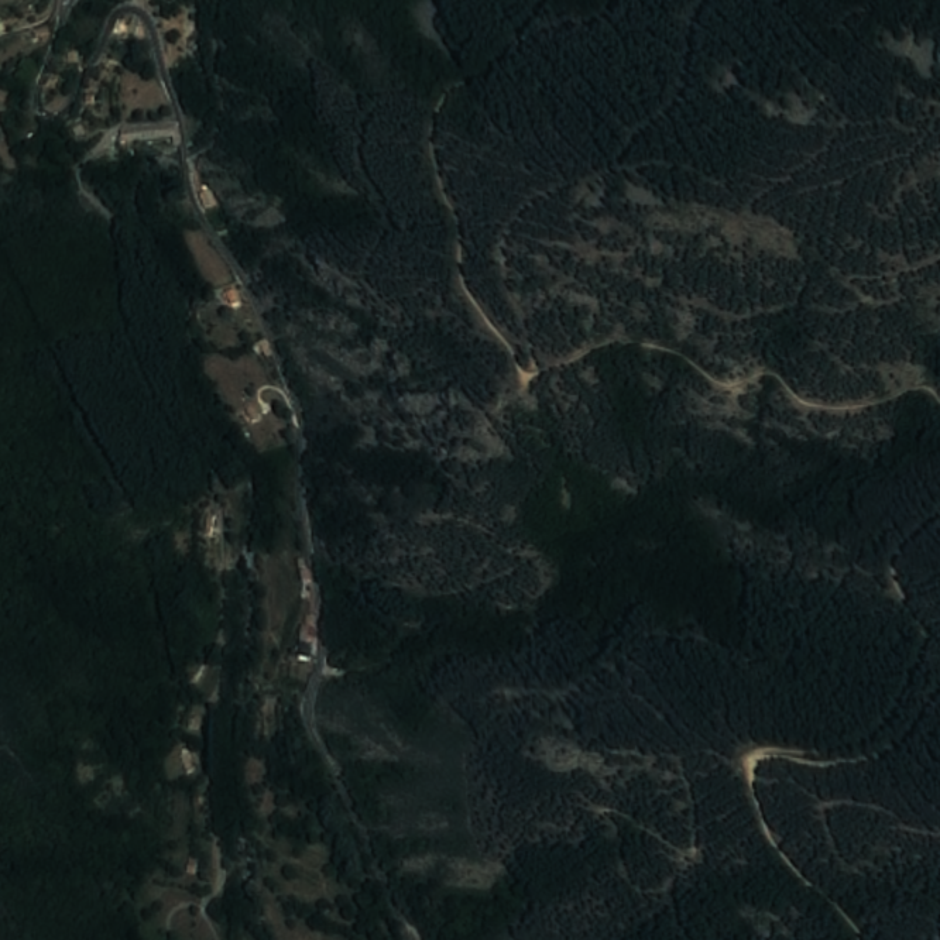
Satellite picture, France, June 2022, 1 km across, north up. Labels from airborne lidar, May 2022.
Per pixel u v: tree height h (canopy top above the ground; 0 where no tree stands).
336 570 8
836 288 22
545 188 19
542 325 16
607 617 11
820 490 25
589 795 12
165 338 33
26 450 13
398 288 18
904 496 21
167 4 9
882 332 20
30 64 13
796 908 17
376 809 11
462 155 18
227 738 15
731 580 14
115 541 6
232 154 9
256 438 0
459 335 15
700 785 15
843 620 34
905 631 27
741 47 29
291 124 14
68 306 16
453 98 7
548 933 14
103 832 13
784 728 21
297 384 15
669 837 14
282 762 18
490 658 13
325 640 16
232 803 20
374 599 32
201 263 0
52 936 12
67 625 17
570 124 25
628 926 16
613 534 13
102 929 15
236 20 11
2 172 10
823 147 17
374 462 10
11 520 16
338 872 9
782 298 19
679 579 24
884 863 11
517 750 12
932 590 19
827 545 8
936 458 26
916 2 14
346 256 18
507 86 27
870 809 16
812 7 15
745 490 24
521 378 0
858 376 16
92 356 27
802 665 25
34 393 15
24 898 9
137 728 22
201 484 27
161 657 6
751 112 15
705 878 23
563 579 17
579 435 18
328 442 11
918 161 12
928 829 17
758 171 21
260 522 15
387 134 21
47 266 16
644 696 17
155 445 26
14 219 7
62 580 27
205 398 20
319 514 11
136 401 31
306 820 14
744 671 22
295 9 6
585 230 16
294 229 15
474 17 27
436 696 19
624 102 20
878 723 24
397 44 10
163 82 0
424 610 23
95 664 11
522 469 17
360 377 8
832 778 18
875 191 18
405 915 10
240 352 15
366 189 19
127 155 9
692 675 28
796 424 13
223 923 6
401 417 8
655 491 20
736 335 14
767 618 28
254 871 10
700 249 16
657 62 26
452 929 16
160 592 20
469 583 24
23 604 14
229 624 9
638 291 17
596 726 23
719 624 26
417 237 21
